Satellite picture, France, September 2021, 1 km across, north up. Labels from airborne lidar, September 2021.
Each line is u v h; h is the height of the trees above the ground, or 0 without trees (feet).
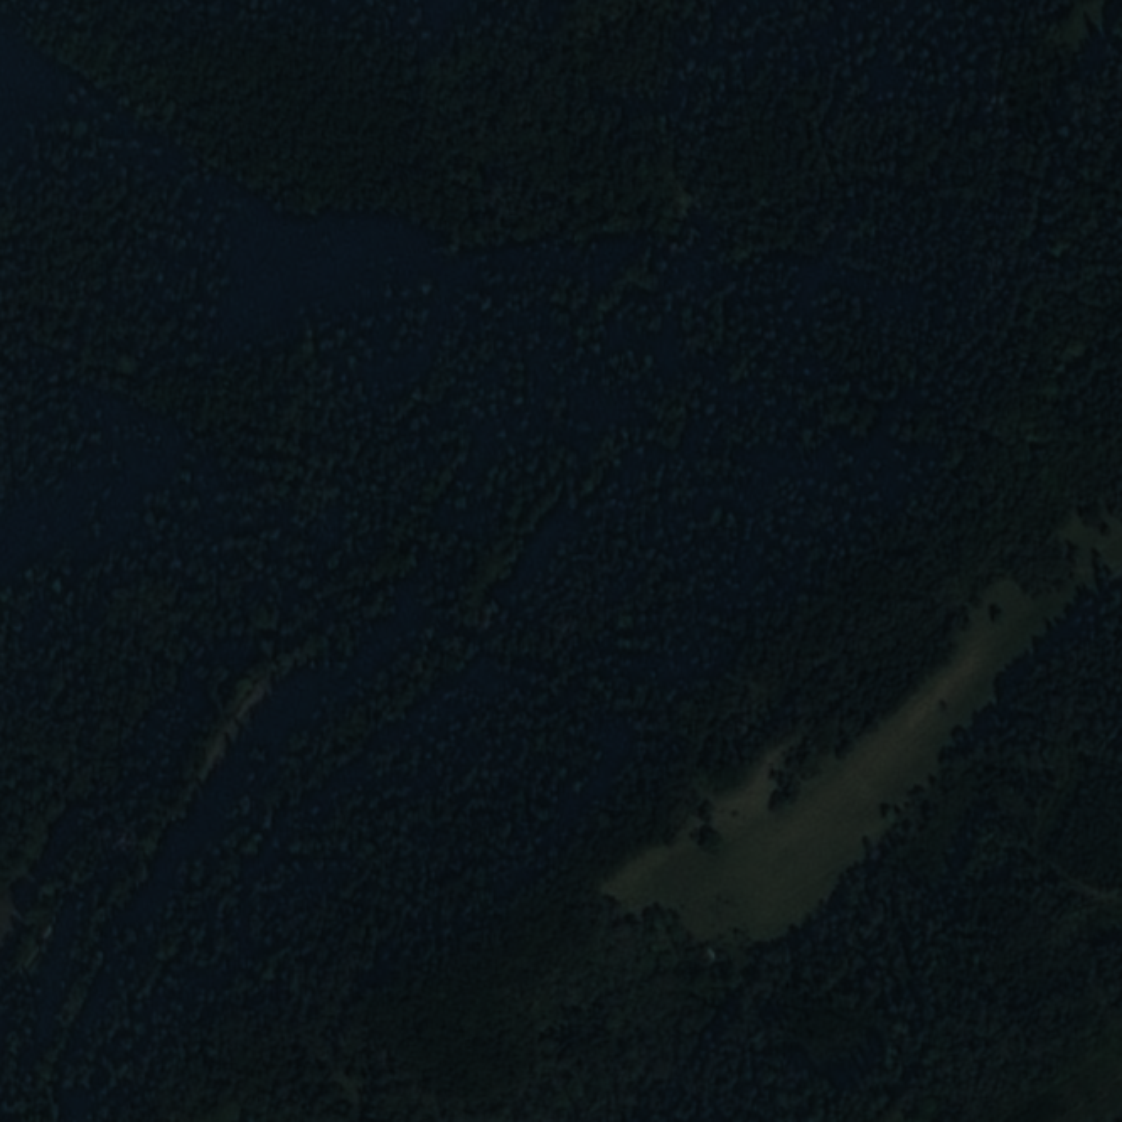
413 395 121
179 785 109
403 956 97
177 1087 84
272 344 79
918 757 0
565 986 48
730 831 0
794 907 0
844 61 106
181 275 77
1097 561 36
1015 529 72
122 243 109
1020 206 111
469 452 80
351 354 91
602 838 86
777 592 94
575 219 104
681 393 110
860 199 90
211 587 107
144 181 96
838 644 88
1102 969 73
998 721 55
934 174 33
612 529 90
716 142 91
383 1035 70
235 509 94
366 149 78
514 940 81
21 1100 82
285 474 97
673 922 47
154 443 117
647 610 78
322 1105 56
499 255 80
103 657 96
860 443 33
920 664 55
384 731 72
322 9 65
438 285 86
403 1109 55
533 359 73
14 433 97
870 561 72
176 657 96
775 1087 84
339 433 85
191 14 88
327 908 110
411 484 112
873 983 54
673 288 87
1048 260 88
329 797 90
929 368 92
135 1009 98
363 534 103
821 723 60
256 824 62
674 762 66
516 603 56
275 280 93
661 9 48
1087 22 0
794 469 100
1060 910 40
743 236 106
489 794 86
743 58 98
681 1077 78
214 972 75
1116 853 30
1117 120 92
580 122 76
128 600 93
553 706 65
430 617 67
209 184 96
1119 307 67
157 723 93
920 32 104
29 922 50
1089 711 83
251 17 86
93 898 71
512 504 108
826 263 88
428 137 92
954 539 86
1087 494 62
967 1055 71
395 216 77
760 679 70
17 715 85
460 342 99
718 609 95
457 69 94
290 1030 89
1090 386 54
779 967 92
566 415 91
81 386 116
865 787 0
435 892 78
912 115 101
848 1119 49
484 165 58
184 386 99
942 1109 66
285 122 78
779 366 68
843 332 114
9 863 72
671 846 70
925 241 101
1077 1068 46
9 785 103
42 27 68
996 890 54
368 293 68
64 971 47
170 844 0
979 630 0
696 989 87
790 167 96
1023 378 68
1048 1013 83
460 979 76
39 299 99
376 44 87
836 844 0
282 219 101
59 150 91
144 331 100
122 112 97
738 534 76
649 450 71
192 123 71
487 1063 87
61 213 94
